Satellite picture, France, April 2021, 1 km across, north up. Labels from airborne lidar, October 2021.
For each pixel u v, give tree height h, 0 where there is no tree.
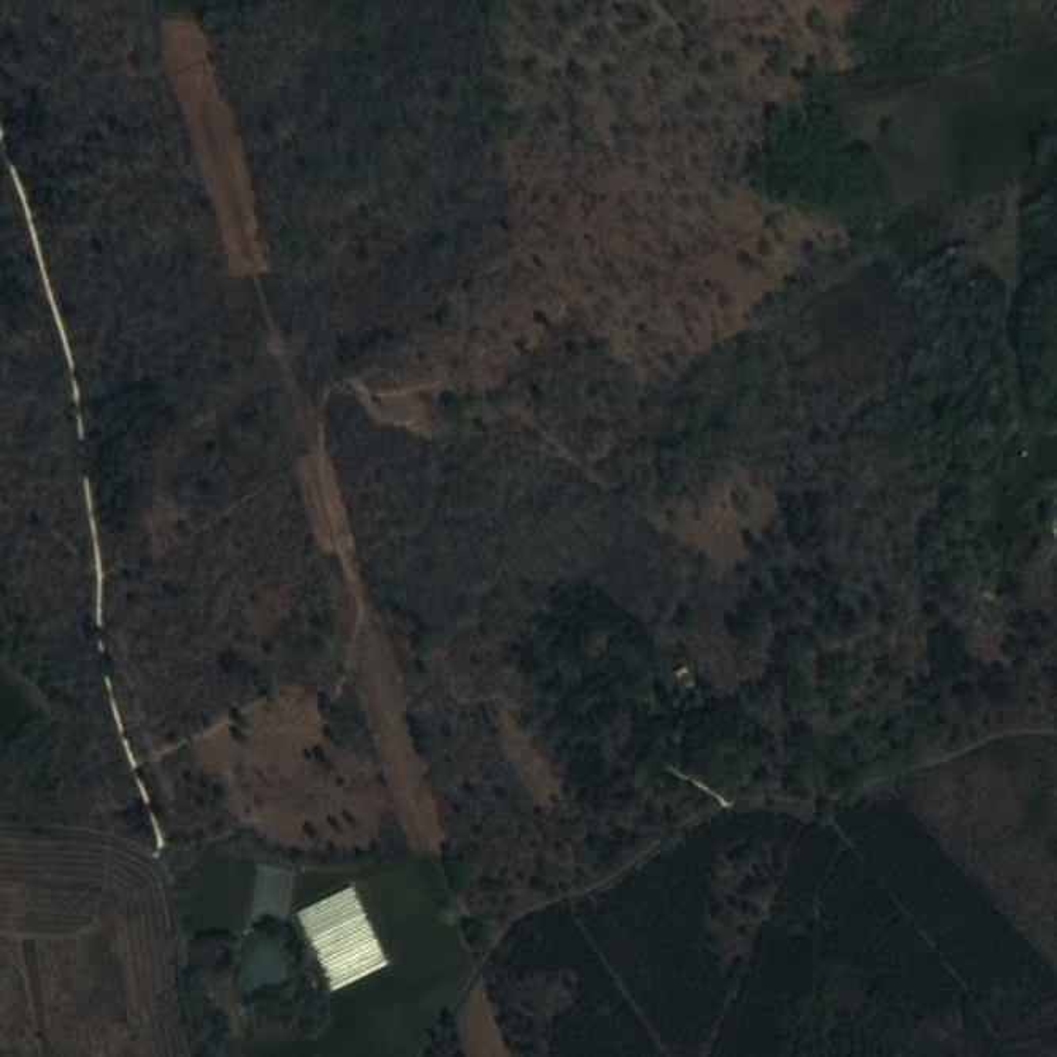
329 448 9
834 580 23
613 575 14
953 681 17
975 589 19
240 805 0
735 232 0
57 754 15
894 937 15
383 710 0
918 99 0
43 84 11
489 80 24
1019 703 18
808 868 13
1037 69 0
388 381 10
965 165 0
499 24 25
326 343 6
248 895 0
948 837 9
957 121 0
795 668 18
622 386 18
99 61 7
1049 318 25
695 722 22
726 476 22
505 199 8
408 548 17
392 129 21
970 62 13
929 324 19
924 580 16
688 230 16
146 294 17
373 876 0
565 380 7
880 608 16
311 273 20
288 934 17
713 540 0
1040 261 12
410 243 10
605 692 19
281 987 8
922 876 13
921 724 19
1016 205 0
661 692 11
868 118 0
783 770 13
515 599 21
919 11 17
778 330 23
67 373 17
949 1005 13
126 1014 6
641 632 21
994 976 13
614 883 0
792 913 13
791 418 16
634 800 14
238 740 18
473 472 18
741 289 0
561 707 12
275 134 19
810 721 13
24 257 13
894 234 9
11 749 9
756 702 21
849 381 6
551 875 10
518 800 9
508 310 0
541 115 0
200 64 0
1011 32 19
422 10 21
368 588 18
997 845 8
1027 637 24
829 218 18
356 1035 0
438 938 0
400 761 0
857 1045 12
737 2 15
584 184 0
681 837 14
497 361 0
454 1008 0
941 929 12
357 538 9
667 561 18
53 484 14
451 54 18
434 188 23
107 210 12
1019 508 11
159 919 0
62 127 13
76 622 8
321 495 0
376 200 22
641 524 12
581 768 18
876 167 23
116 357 18
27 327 16
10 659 19
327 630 24
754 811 9
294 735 0
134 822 19
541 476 16
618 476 15
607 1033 12
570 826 10
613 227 0
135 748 17
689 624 18
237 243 0
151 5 13
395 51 18
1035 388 24
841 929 15
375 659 0
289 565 6
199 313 7
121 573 7
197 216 18
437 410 17
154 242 17
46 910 0
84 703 14
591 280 14
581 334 10
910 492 20
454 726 9
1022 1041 7
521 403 9
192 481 10
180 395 8
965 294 18
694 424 22
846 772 14
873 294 7
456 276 11
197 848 9
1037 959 13
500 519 23
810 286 18
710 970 14
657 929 10
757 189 18
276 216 16
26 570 17
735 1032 15
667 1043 10
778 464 7
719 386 24
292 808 0
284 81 17
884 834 12
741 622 7
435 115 22
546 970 14
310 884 0
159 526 0
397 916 0
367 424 9
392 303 8
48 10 13
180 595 16
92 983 0
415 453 14
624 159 13
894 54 13
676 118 12
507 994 7
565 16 19
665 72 19
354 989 0
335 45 24
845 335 6
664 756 16
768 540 12
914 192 0
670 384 14
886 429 16
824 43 21
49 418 12
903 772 16
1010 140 0
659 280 14
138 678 13
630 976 10
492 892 19
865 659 13
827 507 18
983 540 13
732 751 23
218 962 7
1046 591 11
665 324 13
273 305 9
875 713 15
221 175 0
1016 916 8
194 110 0
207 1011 14
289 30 18
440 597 13
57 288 9
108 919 0
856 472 10
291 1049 0
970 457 15
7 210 9
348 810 0
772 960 17
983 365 27
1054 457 0
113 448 16
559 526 23
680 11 18
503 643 18
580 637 20
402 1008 0
